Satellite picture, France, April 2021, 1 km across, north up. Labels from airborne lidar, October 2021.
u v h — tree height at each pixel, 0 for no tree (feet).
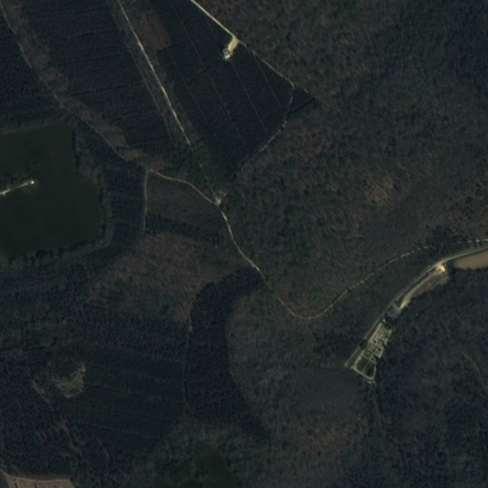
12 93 35
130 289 48
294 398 51
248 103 39
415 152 44
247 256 33
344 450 33
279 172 52
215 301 48
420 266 59
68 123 66
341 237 69
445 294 54
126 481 37
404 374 42
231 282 53
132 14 48
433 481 50
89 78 29
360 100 50
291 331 60
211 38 40
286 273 49
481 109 60
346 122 52
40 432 62
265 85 37
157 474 35
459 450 82
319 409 43
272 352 57
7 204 0
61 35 33
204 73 26
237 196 38
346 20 56
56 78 38
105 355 41
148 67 43
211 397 53
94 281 21
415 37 77
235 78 38
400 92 61
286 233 36
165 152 39
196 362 52
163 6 38
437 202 61
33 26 34
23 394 59
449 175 53
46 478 62
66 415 39
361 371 0
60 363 47
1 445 60
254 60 38
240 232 33
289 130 26
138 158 37
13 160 0
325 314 63
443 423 75
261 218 48
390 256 70
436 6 67
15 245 0
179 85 43
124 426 43
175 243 61
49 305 59
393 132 76
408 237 59
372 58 76
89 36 35
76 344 44
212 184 44
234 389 58
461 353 69
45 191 0
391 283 53
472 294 49
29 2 37
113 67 41
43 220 0
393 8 67
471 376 67
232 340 33
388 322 40
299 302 60
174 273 48
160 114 33
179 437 49
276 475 38
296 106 41
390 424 19
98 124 43
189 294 40
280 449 29
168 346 56
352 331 45
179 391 47
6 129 52
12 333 61
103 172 52
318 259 74
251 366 21
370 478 53
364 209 52
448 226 44
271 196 59
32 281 52
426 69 65
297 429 30
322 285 75
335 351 80
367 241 68
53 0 39
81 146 43
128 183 53
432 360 72
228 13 30
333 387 48
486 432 62
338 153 30
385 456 51
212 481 0
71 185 0
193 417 54
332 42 51
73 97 37
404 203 50
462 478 36
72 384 0
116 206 46
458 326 58
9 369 37
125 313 59
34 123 43
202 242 35
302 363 40
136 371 49
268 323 63
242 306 37
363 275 68
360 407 38
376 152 32
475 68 52
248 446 49
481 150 53
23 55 46
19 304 53
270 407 48
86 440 63
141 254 52
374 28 75
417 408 52
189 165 51
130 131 41
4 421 52
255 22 28
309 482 56
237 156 42
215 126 43
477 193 23
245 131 31
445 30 74
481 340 41
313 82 50
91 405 35
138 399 44
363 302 70
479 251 0
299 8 55
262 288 45
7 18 35
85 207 0
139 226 49
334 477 59
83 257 49
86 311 45
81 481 40
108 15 40
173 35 38
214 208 26
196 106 41
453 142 68
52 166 0
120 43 39
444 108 70
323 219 63
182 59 36
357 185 54
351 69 50
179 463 49
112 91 37
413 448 34
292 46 50
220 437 59
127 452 51
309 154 20
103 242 60
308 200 66
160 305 30
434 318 43
